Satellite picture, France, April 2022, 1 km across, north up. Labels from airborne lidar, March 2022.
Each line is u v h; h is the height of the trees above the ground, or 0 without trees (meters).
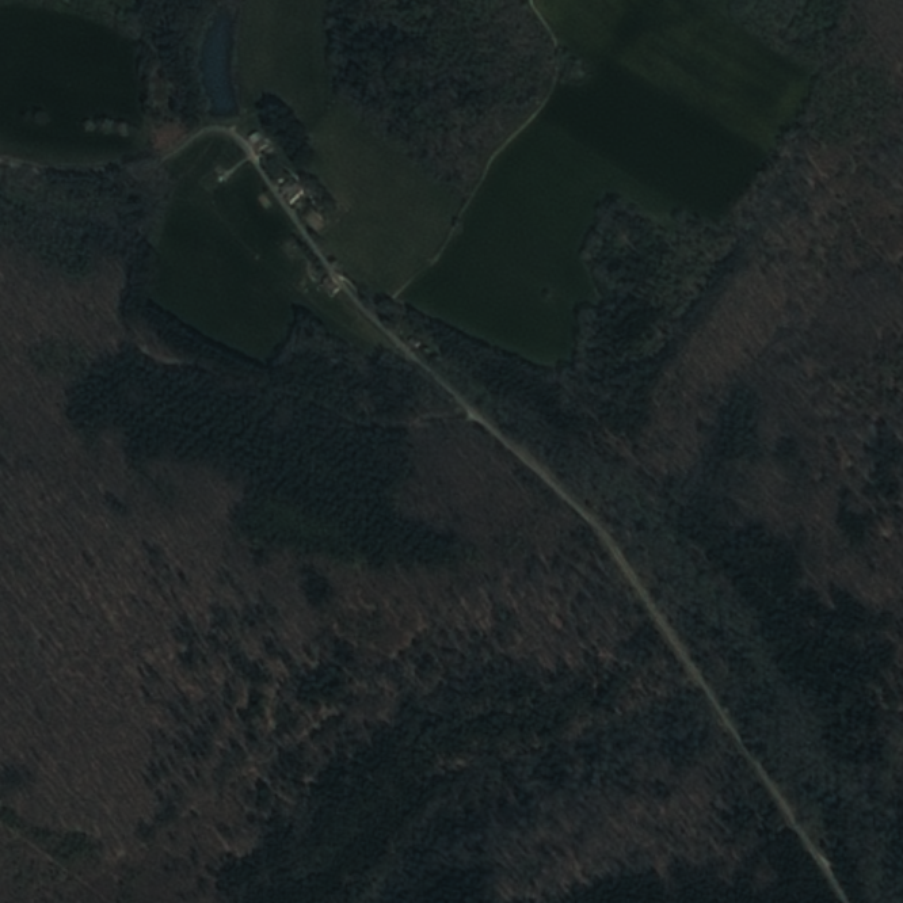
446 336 24
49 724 28
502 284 0
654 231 15
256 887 25
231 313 0
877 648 20
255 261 0
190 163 0
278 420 20
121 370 24
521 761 10
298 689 21
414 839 26
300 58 0
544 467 23
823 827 26
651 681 24
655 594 0
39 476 25
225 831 15
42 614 27
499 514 13
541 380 23
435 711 28
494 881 26
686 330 21
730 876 20
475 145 13
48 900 8
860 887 21
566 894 25
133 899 12
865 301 28
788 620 23
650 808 29
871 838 24
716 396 20
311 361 26
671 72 0
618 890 20
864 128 12
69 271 24
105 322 23
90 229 19
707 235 7
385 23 9
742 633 22
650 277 7
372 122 22
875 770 23
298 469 22
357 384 23
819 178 32
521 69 9
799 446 18
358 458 18
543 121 0
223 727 29
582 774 27
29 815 14
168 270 0
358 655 8
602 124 0
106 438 21
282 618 23
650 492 23
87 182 24
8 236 21
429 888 25
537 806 28
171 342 29
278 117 28
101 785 28
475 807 11
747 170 0
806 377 29
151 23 27
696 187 0
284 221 0
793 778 25
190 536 21
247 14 0
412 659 6
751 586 17
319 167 0
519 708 30
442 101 21
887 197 32
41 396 21
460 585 10
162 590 24
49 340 23
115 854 23
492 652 27
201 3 33
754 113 0
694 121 0
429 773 23
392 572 17
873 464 22
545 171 0
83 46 0
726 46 0
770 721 25
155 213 25
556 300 0
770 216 31
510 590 30
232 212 0
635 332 14
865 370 11
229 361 28
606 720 27
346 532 22
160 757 21
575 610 7
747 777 28
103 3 21
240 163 0
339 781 17
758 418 23
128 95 0
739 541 14
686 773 29
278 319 0
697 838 32
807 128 16
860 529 20
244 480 19
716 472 20
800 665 14
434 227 0
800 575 18
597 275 17
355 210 0
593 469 25
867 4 17
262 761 25
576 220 0
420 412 16
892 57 16
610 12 0
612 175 0
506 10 8
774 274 24
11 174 23
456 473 15
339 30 14
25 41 0
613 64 0
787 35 12
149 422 25
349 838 23
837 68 13
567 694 26
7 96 0
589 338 18
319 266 19
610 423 21
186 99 25
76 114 0
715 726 26
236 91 0
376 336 0
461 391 22
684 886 23
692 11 0
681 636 28
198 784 25
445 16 10
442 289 0
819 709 31
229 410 25
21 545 29
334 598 10
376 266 0
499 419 19
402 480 20
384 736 21
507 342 0
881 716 21
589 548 12
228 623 20
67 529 27
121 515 30
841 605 18
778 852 17
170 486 19
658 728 25
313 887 22
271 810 14
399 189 0
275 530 17
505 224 0
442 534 16
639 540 27
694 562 21
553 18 0
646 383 23
